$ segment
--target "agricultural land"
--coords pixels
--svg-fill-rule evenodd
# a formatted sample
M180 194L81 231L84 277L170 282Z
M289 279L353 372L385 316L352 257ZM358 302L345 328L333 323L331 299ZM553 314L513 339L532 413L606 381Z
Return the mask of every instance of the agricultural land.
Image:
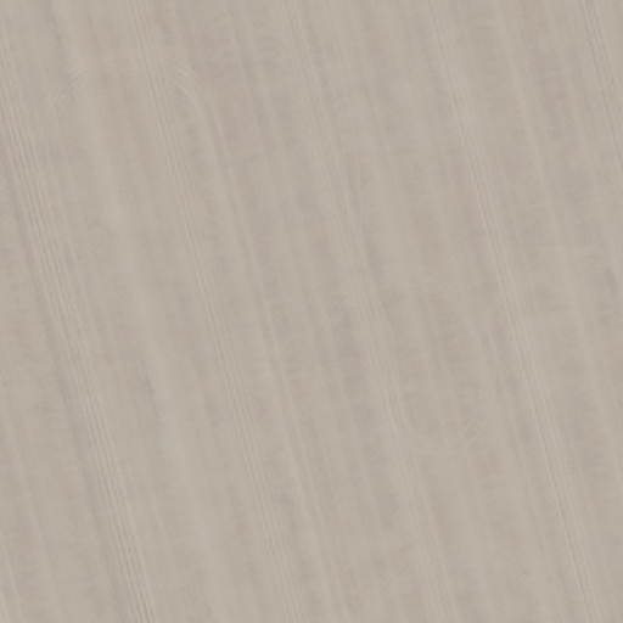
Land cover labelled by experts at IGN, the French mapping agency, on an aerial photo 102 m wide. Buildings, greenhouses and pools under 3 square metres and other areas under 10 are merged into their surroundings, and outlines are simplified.
M623 0L0 0L0 623L623 623Z

